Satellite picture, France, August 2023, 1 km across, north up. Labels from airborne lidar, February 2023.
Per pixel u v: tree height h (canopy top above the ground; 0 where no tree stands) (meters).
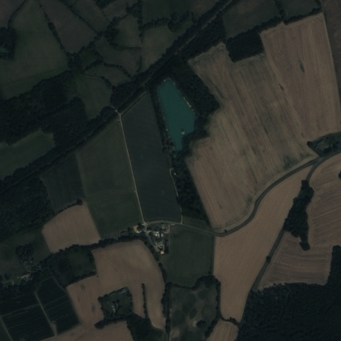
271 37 0
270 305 22
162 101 0
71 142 15
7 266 0
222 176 0
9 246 0
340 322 11
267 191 0
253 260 0
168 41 0
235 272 0
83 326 0
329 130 0
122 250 0
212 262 0
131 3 0
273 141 0
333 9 0
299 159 0
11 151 0
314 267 0
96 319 0
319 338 16
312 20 0
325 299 19
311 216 0
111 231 0
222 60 0
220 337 0
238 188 0
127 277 0
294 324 19
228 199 0
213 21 6
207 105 17
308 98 0
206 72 0
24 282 13
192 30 16
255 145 0
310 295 24
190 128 0
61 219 0
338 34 0
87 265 0
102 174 0
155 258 9
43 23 0
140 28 10
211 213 0
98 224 0
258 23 0
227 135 0
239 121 0
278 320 24
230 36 0
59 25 0
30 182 19
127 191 0
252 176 0
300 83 0
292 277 0
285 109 0
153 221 0
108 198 0
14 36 15
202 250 0
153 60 0
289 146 0
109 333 0
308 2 0
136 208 0
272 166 0
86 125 17
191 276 0
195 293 0
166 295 12
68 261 0
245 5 0
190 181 7
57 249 0
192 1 0
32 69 0
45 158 14
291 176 0
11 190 19
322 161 0
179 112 0
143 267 0
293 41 0
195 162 0
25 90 0
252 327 26
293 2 0
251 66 0
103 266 0
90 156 0
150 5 0
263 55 0
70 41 0
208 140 0
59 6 0
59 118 22
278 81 0
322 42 0
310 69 0
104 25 0
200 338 0
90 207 0
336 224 0
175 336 0
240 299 0
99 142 0
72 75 11
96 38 10
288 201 0
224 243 0
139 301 0
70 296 0
